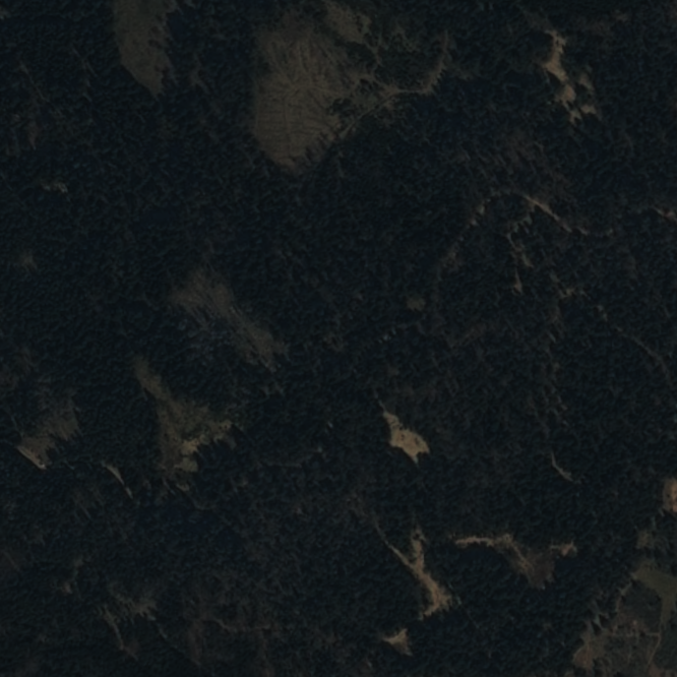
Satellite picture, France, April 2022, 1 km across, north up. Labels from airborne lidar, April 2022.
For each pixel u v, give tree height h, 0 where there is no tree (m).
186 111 33
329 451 25
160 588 14
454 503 21
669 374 23
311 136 0
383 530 17
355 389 15
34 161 42
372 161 14
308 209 31
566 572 26
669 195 27
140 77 0
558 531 24
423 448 0
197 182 39
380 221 13
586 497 26
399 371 17
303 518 30
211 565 15
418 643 18
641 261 27
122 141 6
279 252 31
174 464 0
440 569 14
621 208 24
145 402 29
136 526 29
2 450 15
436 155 11
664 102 21
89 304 29
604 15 14
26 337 29
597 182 13
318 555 27
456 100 34
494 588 22
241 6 39
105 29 32
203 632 17
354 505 28
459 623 31
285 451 28
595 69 29
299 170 21
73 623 22
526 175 17
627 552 18
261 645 10
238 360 25
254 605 7
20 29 27
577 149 31
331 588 28
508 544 0
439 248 13
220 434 0
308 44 0
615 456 27
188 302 0
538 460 30
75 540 26
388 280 6
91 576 25
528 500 21
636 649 7
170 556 26
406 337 9
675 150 27
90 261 27
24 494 18
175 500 21
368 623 16
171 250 7
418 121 19
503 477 25
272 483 11
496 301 13
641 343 18
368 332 16
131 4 0
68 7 23
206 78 8
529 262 15
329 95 0
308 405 23
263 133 0
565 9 14
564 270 30
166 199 35
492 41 28
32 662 17
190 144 13
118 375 25
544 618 21
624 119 29
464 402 24
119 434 24
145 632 17
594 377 11
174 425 0
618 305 29
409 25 6
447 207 13
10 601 18
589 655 0
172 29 8
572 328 24
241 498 14
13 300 22
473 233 14
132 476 25
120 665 15
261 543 27
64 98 17
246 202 14
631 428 10
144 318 27
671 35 29
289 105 0
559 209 8
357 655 16
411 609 10
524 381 19
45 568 14
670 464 26
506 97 29
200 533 29
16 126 31
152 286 25
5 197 26
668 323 14
